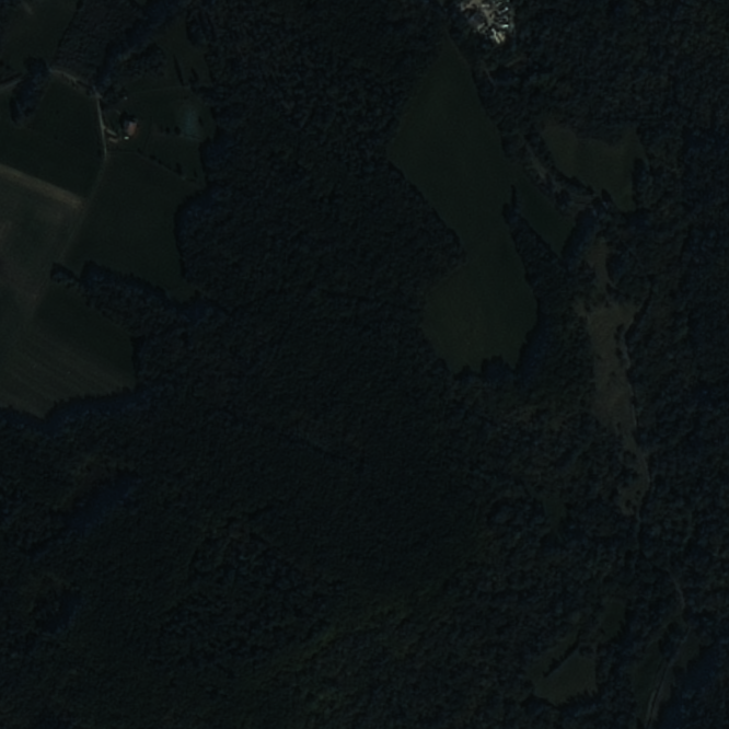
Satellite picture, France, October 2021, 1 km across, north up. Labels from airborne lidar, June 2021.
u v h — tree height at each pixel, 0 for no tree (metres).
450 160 0
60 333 0
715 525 19
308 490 21
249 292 24
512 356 0
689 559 22
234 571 10
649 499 8
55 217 0
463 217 0
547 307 22
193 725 16
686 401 21
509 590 9
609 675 10
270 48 25
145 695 23
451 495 27
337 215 24
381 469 22
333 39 26
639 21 15
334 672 19
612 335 0
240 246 25
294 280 24
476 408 19
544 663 0
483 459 23
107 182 0
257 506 22
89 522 22
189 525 27
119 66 17
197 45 21
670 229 22
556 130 0
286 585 20
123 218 0
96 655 23
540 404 15
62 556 24
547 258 18
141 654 20
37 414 0
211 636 22
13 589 25
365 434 22
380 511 22
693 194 24
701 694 20
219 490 23
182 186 0
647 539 15
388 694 16
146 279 0
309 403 19
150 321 17
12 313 0
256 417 18
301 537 25
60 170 0
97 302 20
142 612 24
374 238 22
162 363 25
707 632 14
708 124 12
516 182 0
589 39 12
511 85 9
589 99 13
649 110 9
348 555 20
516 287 0
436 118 0
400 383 23
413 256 20
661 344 25
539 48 12
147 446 23
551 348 22
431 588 25
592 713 14
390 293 21
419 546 21
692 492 14
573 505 12
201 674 19
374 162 17
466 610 25
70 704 21
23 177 0
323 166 20
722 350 21
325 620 17
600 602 14
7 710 25
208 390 17
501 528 21
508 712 21
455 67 0
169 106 0
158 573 25
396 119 20
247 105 23
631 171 0
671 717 0
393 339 23
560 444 7
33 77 18
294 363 20
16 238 0
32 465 25
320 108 16
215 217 24
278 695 23
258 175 22
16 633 25
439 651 21
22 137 0
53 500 24
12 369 0
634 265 16
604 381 0
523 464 17
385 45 27
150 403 22
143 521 28
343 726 16
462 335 0
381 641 13
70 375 0
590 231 21
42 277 0
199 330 24
